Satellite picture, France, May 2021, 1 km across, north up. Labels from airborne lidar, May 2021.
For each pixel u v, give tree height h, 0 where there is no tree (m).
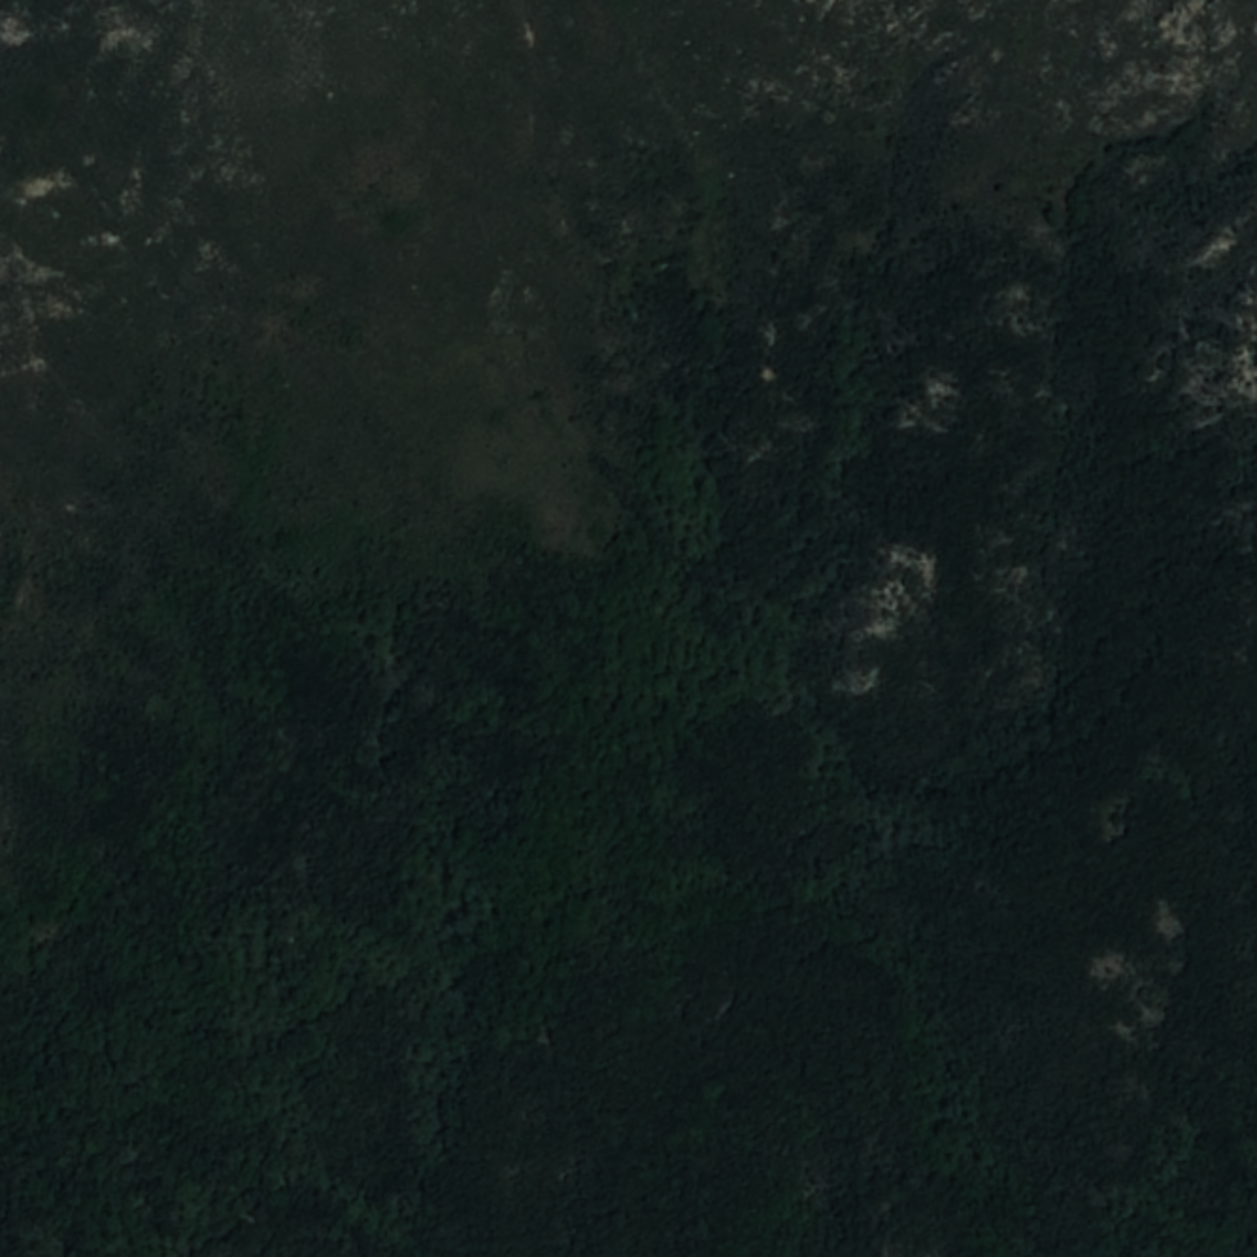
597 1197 9
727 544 12
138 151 0
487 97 0
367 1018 13
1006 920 12
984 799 20
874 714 11
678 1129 17
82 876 12
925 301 8
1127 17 0
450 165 0
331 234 0
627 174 7
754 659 15
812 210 10
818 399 12
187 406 7
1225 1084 11
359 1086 14
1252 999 7
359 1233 15
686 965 7
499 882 20
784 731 15
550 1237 13
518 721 7
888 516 13
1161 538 13
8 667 8
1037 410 7
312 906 14
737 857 19
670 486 21
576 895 11
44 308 0
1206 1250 15
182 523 9
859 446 20
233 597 8
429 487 6
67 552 6
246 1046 13
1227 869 11
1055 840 12
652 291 10
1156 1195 15
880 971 18
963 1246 14
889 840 24
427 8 0
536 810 14
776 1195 11
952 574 9
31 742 6
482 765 8
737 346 9
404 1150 13
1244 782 11
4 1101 10
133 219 0
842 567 14
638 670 15
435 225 0
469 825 17
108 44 0
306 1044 17
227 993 22
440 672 6
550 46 0
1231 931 10
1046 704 8
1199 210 6
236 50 0
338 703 7
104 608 7
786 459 8
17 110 0
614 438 6
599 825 8
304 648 8
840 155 6
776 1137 11
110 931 18
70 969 12
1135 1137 11
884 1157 13
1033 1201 12
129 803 10
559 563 10
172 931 10
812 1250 11
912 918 7
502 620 13
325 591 6
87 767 9
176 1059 21
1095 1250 14
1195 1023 11
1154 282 8
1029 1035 9
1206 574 12
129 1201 18
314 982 13
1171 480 14
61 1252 18
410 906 20
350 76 0
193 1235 11
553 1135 18
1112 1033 6
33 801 7
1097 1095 7
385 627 23
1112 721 20
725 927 16
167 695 8
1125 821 8
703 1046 13
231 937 24
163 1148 14
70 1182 11
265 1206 14
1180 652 12
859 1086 9
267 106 0
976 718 7
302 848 9
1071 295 8
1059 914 8
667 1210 19
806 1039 14
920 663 7
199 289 0
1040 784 16
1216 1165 7
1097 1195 11
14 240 0
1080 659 17
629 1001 13
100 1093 16
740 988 13
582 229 7
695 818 11
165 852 15
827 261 7
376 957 18
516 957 16
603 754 11
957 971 16
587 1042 14
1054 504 15
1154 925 8
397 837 15
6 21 0
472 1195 14
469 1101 19
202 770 8
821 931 14
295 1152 20
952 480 11
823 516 15
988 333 6
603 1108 10
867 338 17
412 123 0
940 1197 12
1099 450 8
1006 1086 12
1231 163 9
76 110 0
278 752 12
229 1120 15
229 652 7
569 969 11
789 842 8
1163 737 15
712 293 10
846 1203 13
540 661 11
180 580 9
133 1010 24
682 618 16
